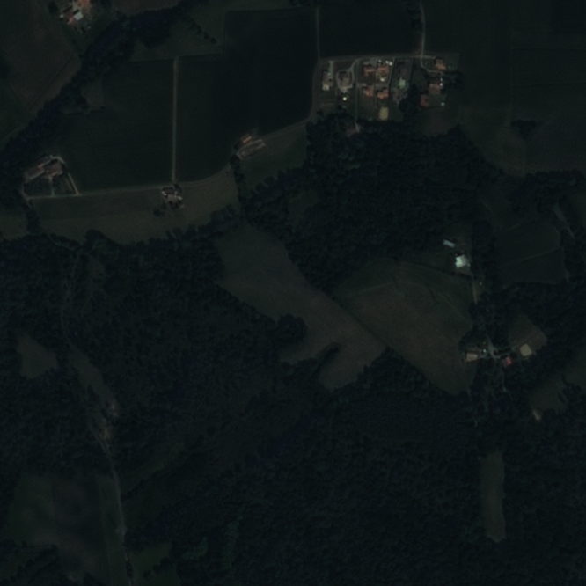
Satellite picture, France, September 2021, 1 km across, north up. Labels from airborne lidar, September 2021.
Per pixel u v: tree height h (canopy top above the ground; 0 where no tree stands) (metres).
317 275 9
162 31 23
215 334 16
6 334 24
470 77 0
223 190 0
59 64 0
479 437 20
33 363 0
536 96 0
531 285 9
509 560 23
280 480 24
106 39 11
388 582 16
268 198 22
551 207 8
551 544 23
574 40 0
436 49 0
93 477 0
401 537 16
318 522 25
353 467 13
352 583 21
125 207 0
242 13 0
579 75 0
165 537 21
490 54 0
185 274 17
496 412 23
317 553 16
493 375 26
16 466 25
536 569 10
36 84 0
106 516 0
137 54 0
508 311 26
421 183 18
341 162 25
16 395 24
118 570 0
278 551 21
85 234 0
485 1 0
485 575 16
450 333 0
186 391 27
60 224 0
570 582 20
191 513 15
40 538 0
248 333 12
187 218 0
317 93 0
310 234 9
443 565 14
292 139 0
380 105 0
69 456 21
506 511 17
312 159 18
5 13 0
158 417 20
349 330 0
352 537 13
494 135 0
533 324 14
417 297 0
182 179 0
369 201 19
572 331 24
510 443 25
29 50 0
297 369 13
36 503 0
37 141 27
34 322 12
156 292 28
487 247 12
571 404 14
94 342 7
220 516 15
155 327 25
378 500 19
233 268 0
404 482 16
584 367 0
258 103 0
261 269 0
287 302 0
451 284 0
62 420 25
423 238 12
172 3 0
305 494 18
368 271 0
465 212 6
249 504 8
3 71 16
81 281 9
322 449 23
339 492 20
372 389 20
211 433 17
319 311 0
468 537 24
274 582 26
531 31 0
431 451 17
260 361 16
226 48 0
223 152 0
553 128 0
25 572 12
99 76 17
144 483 11
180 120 0
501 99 0
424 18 0
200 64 0
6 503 18
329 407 11
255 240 0
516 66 0
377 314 0
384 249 24
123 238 0
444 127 0
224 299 13
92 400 17
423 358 0
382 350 0
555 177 17
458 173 19
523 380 18
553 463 25
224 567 27
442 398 16
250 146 0
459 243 0
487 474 0
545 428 21
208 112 0
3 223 0
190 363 24
